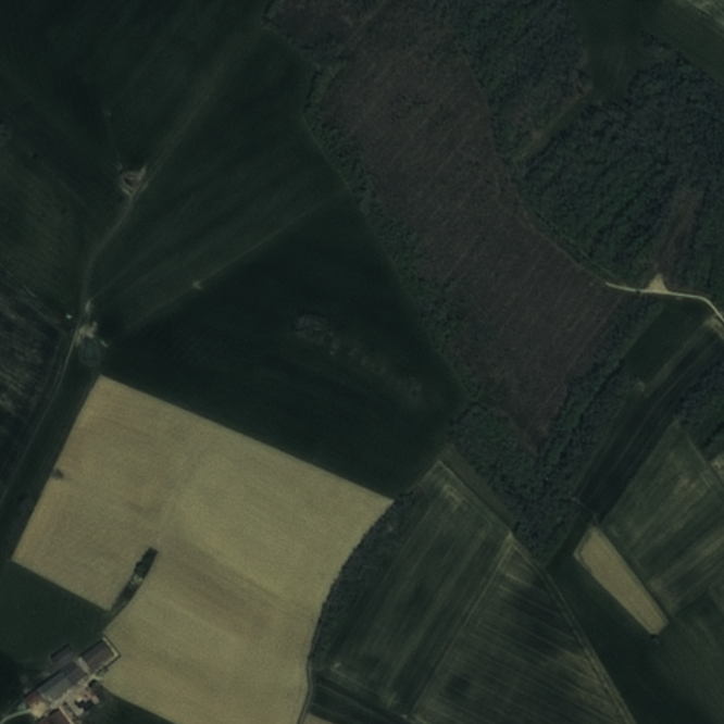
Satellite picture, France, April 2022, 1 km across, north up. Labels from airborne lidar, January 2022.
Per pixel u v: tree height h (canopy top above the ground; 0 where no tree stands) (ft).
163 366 0
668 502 0
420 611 0
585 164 77
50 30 0
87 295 0
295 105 0
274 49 0
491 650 0
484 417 57
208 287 0
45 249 0
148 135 0
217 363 0
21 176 0
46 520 0
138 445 0
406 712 0
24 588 0
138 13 0
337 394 0
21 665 0
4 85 0
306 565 0
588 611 0
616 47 0
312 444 0
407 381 0
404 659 0
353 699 0
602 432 58
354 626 0
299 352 0
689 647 0
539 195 40
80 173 0
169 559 0
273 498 0
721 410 35
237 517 0
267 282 0
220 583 0
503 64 64
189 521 0
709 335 0
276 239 0
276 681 0
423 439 0
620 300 0
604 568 0
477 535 0
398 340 0
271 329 0
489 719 0
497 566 0
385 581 0
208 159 0
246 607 0
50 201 0
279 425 0
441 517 0
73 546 0
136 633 0
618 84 0
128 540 0
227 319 0
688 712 0
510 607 0
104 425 0
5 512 0
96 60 0
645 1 0
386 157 0
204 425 0
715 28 0
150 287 0
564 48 79
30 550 0
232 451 0
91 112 0
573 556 0
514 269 0
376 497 0
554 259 0
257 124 0
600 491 0
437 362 0
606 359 72
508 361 0
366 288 0
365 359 0
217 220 0
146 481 0
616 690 0
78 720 0
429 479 0
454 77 0
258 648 0
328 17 0
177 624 0
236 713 0
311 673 0
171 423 0
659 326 0
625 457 0
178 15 0
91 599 0
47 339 0
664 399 0
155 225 0
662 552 0
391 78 0
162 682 0
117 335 0
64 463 0
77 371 0
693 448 0
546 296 0
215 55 0
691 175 65
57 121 0
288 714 0
